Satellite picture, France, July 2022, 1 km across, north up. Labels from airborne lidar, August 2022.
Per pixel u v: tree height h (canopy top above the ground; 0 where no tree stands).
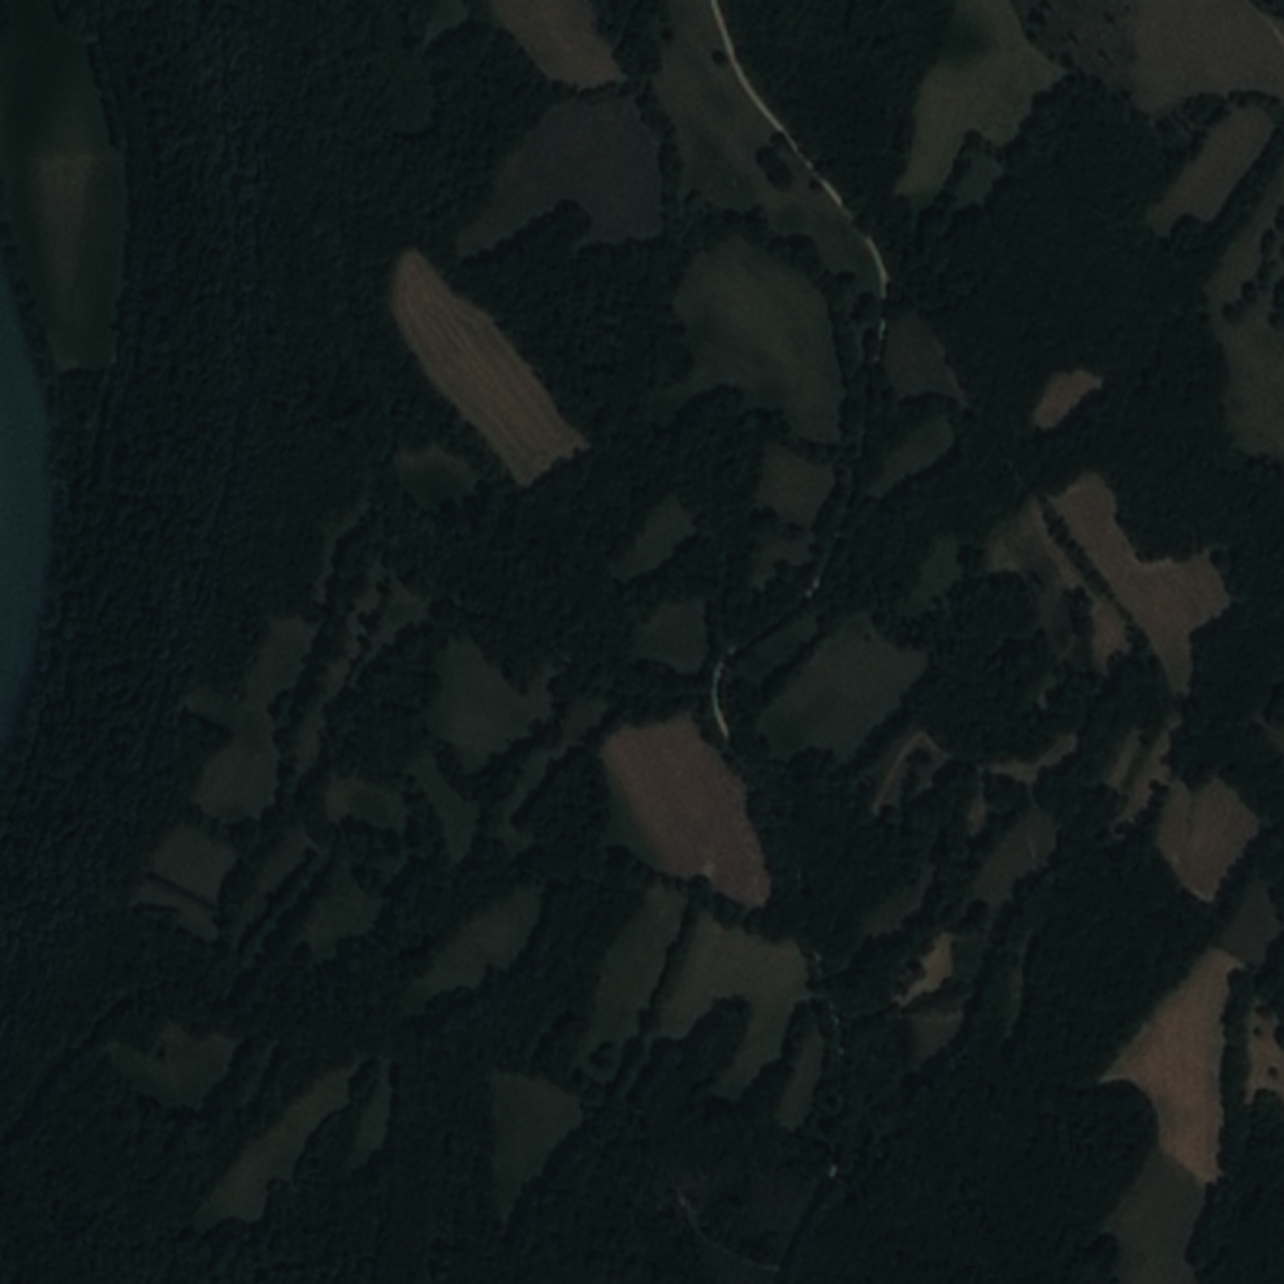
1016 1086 22
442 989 0
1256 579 17
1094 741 16
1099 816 20
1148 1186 0
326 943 0
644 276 17
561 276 13
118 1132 21
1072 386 0
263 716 0
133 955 20
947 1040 0
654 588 14
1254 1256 18
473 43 19
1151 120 13
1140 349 17
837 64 7
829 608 9
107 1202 15
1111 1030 21
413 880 20
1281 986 14
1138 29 0
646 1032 9
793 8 6
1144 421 18
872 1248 19
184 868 0
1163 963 24
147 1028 20
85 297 0
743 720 17
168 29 21
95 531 15
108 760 24
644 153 0
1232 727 19
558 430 0
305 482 18
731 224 15
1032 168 17
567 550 16
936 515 18
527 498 12
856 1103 13
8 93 0
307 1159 11
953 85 0
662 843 0
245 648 17
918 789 10
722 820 0
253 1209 0
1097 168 17
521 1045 15
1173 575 0
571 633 14
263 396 17
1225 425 12
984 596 20
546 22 0
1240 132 0
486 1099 19
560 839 17
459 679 0
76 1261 19
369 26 11
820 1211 15
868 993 17
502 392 0
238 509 10
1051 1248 20
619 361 19
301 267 14
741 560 13
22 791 19
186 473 17
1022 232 18
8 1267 26
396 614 0
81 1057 18
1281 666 14
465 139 13
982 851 16
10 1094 17
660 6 11
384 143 13
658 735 0
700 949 0
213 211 18
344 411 20
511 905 0
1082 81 15
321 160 13
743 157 0
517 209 0
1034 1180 19
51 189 0
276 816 19
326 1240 19
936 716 18
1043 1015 18
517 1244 24
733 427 16
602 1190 13
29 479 0
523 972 16
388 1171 20
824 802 17
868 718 0
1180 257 20
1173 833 0
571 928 19
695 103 0
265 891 0
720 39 0
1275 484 20
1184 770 12
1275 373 0
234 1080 12
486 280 13
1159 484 19
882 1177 19
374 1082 14
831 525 12
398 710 25
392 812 0
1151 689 19
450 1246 18
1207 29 0
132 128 14
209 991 18
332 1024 18
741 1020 18
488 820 13
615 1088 11
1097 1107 22
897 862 15
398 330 12
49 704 18
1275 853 18
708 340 0
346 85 10
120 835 19
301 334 18
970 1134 18
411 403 18
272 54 15
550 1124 0
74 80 0
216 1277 19
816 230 0
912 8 14
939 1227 21
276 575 16
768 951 0
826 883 21
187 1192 19
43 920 26
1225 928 18
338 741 17
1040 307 17
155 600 23
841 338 14
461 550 15
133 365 15
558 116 0
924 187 0
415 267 0
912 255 17
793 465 0
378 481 17
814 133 8
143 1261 18
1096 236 17
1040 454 17
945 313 12
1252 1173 16
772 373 0
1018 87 0
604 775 17
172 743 13
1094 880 19
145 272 15
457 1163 19
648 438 13
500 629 19
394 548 16
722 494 14
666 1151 19
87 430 10
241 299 8
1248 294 10
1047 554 0
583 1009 12
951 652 17
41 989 12
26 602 0
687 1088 18
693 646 0
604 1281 19
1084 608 18
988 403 15
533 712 0
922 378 0
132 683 25
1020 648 25
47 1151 20
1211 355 13
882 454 16
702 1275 7
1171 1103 0
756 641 9
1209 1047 0
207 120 16
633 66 12
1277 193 0
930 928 16
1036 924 13
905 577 18
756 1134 19
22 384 0
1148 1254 0
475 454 17
